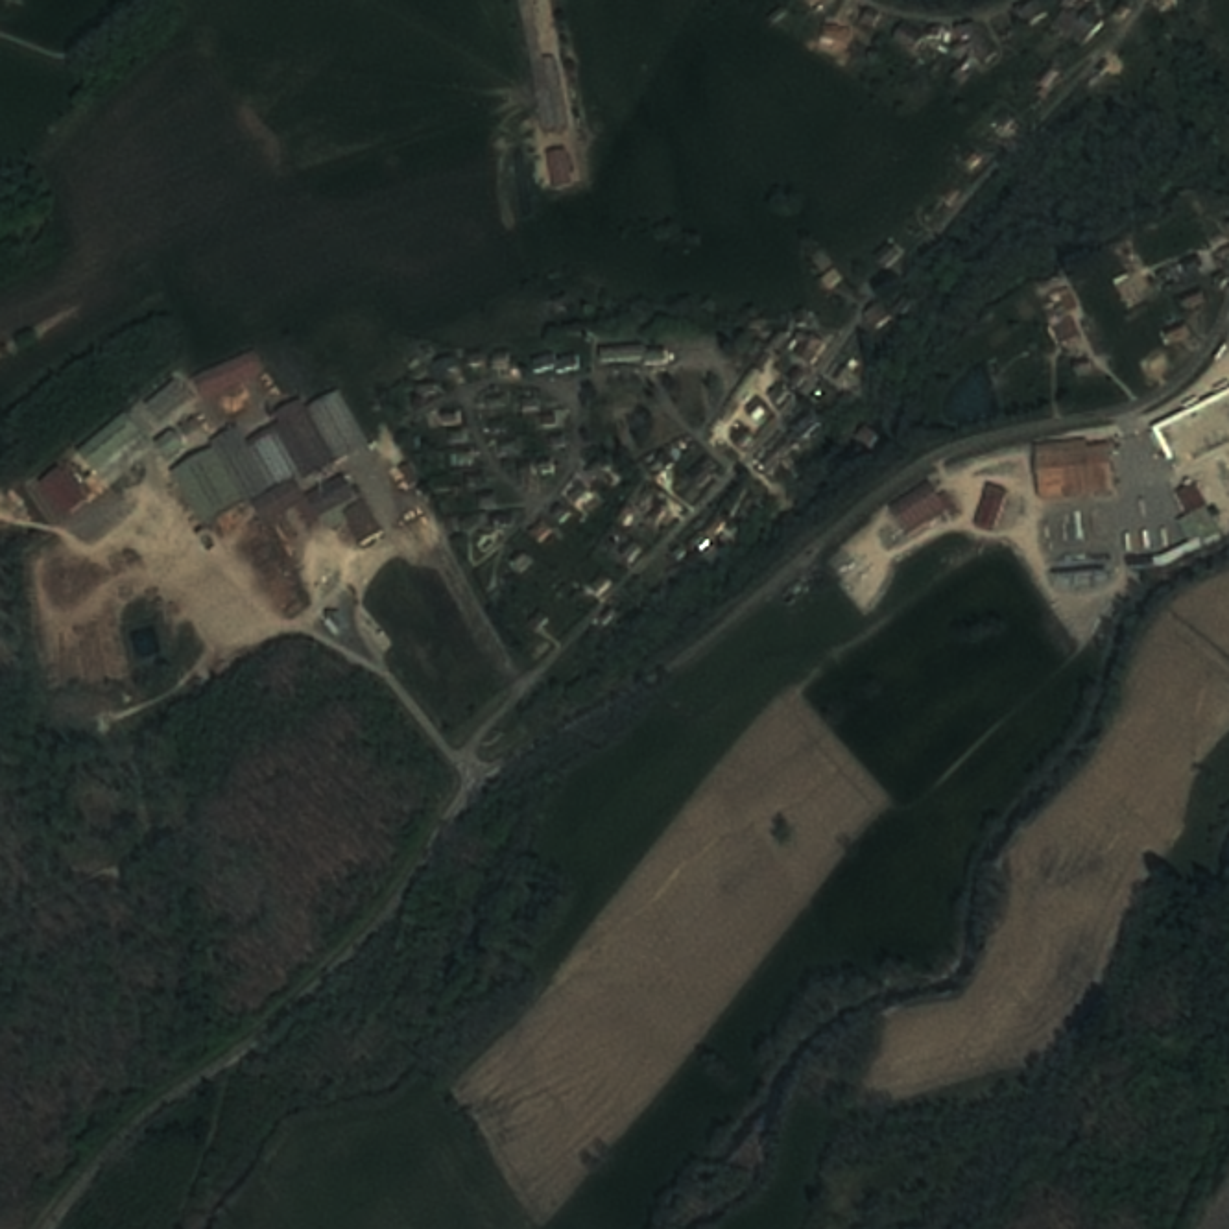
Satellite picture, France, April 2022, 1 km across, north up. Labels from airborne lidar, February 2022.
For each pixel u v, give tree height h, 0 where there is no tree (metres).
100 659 0
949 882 0
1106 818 0
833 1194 11
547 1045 0
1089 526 0
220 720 16
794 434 6
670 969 0
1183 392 0
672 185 0
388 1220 0
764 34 0
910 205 0
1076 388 0
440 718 0
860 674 0
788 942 0
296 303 0
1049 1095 16
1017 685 0
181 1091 0
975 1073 0
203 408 0
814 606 0
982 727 0
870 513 0
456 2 0
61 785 28
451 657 0
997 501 0
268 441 0
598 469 0
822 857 0
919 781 0
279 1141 0
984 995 0
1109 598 0
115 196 0
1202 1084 22
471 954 22
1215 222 0
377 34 0
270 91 0
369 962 17
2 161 0
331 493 0
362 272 0
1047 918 0
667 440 0
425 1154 0
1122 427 0
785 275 0
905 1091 0
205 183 0
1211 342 0
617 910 0
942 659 0
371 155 0
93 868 0
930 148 0
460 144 0
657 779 0
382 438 0
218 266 0
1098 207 27
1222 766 0
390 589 0
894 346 14
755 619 0
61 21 0
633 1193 0
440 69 0
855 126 0
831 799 0
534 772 25
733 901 0
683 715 0
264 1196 0
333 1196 0
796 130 0
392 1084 23
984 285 27
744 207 0
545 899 29
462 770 0
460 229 0
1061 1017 0
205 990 24
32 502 0
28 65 0
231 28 0
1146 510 0
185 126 0
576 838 0
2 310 0
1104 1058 19
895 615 0
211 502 0
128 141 0
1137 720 0
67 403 10
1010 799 0
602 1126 0
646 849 0
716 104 0
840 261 0
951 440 15
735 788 0
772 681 0
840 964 0
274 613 0
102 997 24
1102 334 0
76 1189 0
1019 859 0
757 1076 0
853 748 0
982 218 18
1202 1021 18
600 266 0
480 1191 0
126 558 0
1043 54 0
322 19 0
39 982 27
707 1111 0
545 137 0
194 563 0
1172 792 0
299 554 0
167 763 26
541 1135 0
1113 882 0
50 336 0
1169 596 19
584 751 25
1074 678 0
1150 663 0
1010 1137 20
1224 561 20
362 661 0
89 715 0
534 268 0
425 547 0
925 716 0
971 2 11
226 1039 16
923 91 16
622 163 0
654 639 28
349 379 0
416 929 10
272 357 0
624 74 0
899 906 0
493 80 0
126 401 13
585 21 0
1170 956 17
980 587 0
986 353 0
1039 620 0
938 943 0
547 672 0
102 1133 19
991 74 0
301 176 0
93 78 20
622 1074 0
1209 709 0
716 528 0
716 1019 0
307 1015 14
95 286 0
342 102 0
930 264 16
